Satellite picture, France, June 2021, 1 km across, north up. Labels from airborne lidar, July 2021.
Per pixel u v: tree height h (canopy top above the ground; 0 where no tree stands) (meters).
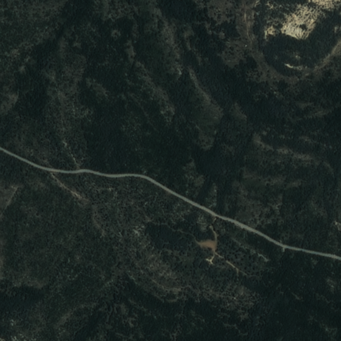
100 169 6
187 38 6
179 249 11
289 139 7
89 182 7
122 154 8
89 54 8
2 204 0
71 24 6
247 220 0
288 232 6
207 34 9
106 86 6
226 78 7
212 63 9
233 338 9
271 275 6
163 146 7
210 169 14
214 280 8
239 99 7
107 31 6
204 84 8
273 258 6
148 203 7
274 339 7
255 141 0
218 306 10
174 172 6
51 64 8
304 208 7
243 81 9
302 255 6
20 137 7
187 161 7
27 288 10
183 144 7
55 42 8
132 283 6
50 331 6
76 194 0
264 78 0
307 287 7
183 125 7
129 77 7
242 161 7
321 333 8
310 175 8
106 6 0
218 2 0
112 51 6
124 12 6
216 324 6
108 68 6
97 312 6
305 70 0
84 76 6
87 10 9
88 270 9
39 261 6
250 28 0
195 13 11
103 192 8
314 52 8
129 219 7
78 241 7
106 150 8
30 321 7
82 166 6
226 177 8
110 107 6
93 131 6
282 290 9
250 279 10
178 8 13
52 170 0
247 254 9
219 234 7
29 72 7
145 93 6
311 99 6
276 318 8
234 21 8
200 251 7
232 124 6
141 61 7
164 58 7
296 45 8
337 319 8
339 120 8
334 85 8
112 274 7
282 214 8
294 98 8
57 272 8
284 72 8
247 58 7
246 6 0
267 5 6
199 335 5
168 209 8
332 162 7
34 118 8
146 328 6
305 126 7
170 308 8
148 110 6
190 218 11
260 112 7
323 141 9
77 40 6
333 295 7
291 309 6
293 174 7
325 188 7
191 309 6
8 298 10
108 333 9
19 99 7
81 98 9
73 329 6
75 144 7
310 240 6
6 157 6
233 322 10
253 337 12
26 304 8
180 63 8
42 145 9
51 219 8
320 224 6
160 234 10
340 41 0
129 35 7
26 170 8
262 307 10
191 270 7
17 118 8
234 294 9
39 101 7
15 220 8
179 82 7
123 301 6
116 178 6
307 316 7
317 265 7
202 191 6
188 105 9
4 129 9
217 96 10
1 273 0
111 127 6
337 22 6
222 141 10
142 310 7
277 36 6
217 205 7
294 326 7
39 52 8
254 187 6
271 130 7
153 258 0
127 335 6
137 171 6
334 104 7
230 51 7
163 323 6
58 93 0
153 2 6
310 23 0
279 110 12
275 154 6
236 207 6
